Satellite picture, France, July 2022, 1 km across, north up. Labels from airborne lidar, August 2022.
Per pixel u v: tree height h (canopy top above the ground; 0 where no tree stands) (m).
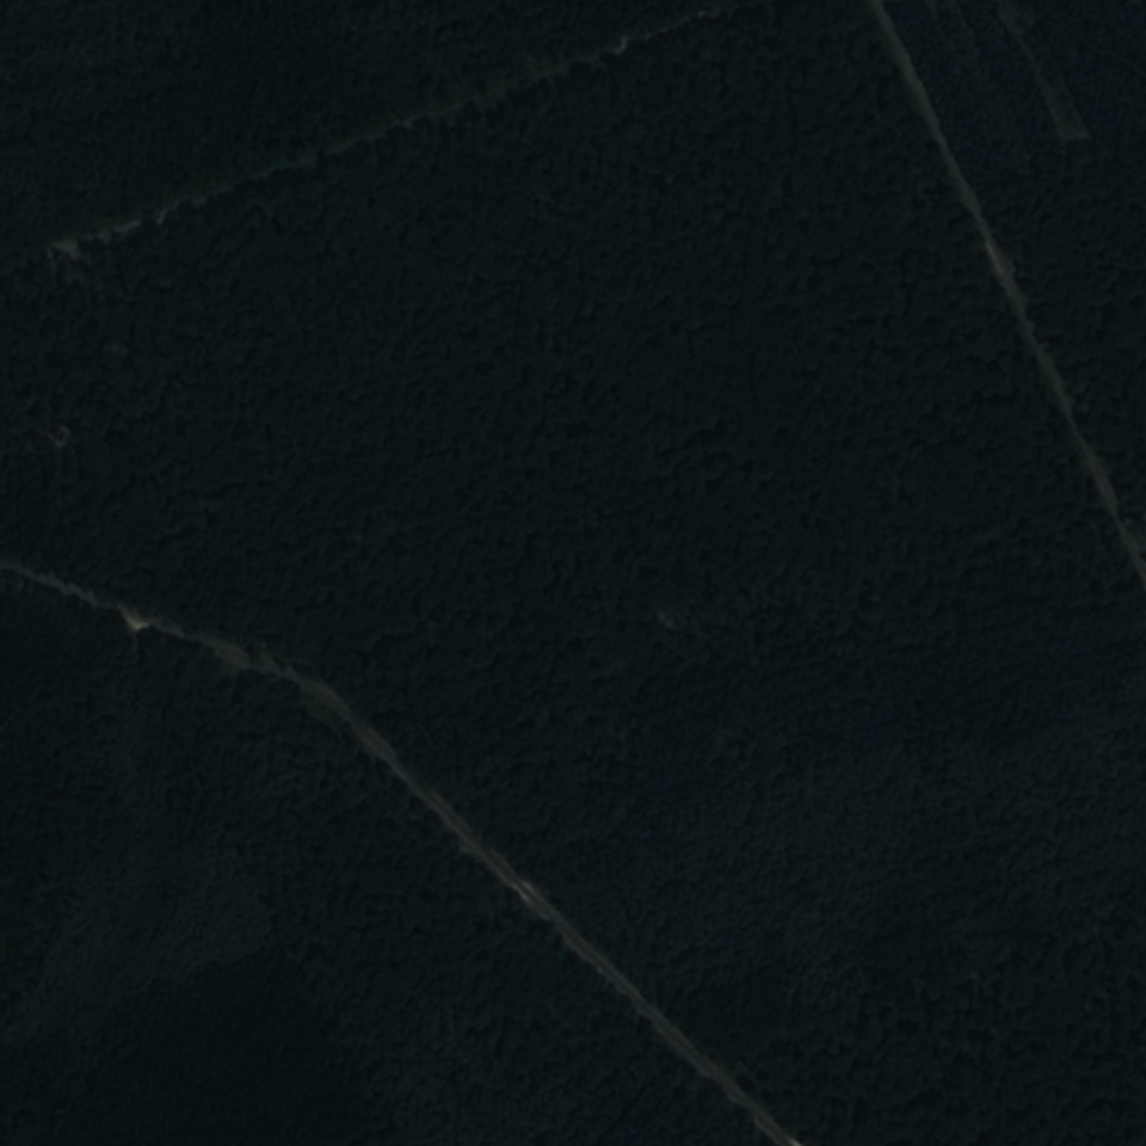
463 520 27
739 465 24
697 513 27
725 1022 26
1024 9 20
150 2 26
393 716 20
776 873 16
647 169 20
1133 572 7
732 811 20
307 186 22
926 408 18
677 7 21
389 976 26
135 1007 20
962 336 23
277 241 24
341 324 20
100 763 16
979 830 13
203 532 21
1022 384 24
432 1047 20
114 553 20
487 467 23
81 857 17
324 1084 19
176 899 21
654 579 27
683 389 27
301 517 19
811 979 25
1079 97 27
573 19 24
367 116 22
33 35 16
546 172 18
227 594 23
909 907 18
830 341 26
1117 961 30
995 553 18
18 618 22
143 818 18
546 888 16
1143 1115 27
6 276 18
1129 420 25
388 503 22
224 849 21
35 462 24
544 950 18
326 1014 13
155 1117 20
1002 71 27
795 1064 22
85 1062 16
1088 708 21
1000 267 0
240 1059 18
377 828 29
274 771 25
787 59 21
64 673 22
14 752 25
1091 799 20
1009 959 26
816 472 24
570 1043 16
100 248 18
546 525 25
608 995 20
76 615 24
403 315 23
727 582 28
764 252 27
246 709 21
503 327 24
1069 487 21
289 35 24
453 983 17
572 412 26
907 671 18
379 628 17
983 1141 28
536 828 17
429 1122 16
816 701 16
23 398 28
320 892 26
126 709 22
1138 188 28
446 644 27
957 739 22
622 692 21
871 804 21
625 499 27
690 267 23
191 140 23
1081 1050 19
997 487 26
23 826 22
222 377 26
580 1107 18
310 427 25
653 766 15
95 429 26
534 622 25
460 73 26
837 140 24
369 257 25
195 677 24
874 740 16
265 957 16
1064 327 23
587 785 22
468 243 27
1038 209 22
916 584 25
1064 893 24
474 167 21
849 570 25
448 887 20
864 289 27
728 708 22
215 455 25
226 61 22
